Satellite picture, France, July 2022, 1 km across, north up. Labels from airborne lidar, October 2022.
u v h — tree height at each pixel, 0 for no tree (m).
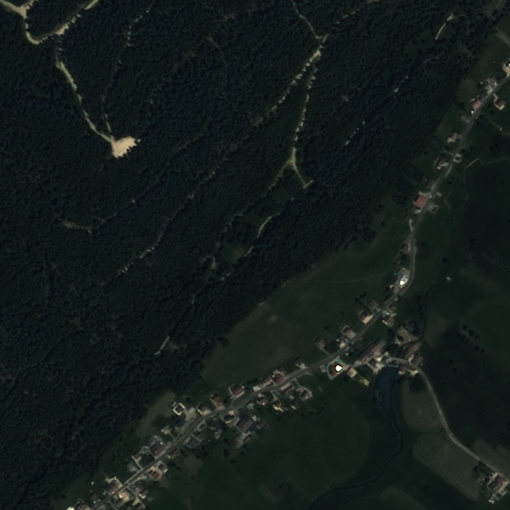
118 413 23
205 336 21
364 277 0
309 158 19
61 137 19
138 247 19
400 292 0
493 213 0
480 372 0
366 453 0
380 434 0
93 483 0
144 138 25
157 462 0
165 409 0
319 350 0
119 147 0
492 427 0
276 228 27
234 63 22
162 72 18
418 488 0
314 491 0
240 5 22
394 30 18
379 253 0
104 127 18
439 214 0
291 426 0
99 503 0
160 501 0
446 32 0
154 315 25
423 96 18
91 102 24
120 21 29
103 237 27
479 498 0
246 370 0
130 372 18
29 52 22
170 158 22
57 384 22
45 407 21
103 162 18
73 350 19
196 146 18
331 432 0
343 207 14
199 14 24
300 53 18
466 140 0
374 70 16
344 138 0
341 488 0
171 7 20
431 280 0
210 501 0
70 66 25
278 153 19
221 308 22
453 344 0
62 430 18
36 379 21
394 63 20
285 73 20
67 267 25
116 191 27
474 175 0
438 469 0
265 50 24
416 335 18
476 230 0
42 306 25
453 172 0
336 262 0
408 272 0
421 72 10
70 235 24
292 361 0
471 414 0
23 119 22
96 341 22
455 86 18
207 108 25
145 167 17
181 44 21
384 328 0
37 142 18
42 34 20
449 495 0
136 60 17
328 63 21
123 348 15
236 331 0
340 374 0
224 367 0
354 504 0
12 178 23
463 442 0
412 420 0
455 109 0
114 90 17
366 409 0
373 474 0
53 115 35
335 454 0
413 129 28
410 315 0
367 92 28
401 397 0
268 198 14
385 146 22
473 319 0
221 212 15
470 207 0
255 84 14
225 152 23
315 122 30
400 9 16
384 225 11
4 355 17
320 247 28
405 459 0
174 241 19
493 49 0
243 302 24
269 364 0
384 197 17
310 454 0
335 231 23
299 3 24
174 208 21
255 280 24
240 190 15
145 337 19
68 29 0
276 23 18
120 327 20
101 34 26
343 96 29
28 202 24
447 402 0
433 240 0
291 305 0
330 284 0
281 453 0
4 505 19
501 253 0
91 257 21
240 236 31
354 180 24
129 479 0
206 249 30
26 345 18
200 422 0
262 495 0
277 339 0
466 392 0
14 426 18
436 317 0
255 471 0
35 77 35
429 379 0
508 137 0
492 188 0
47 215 24
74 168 22
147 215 22
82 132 24
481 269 0
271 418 0
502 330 0
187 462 0
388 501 0
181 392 23
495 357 0
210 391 0
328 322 0
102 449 24
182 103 23
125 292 23
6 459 24
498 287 0
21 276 22
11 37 24
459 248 0
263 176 18
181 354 9
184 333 15
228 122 17
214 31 27
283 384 0
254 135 28
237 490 0
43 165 24
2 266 19
